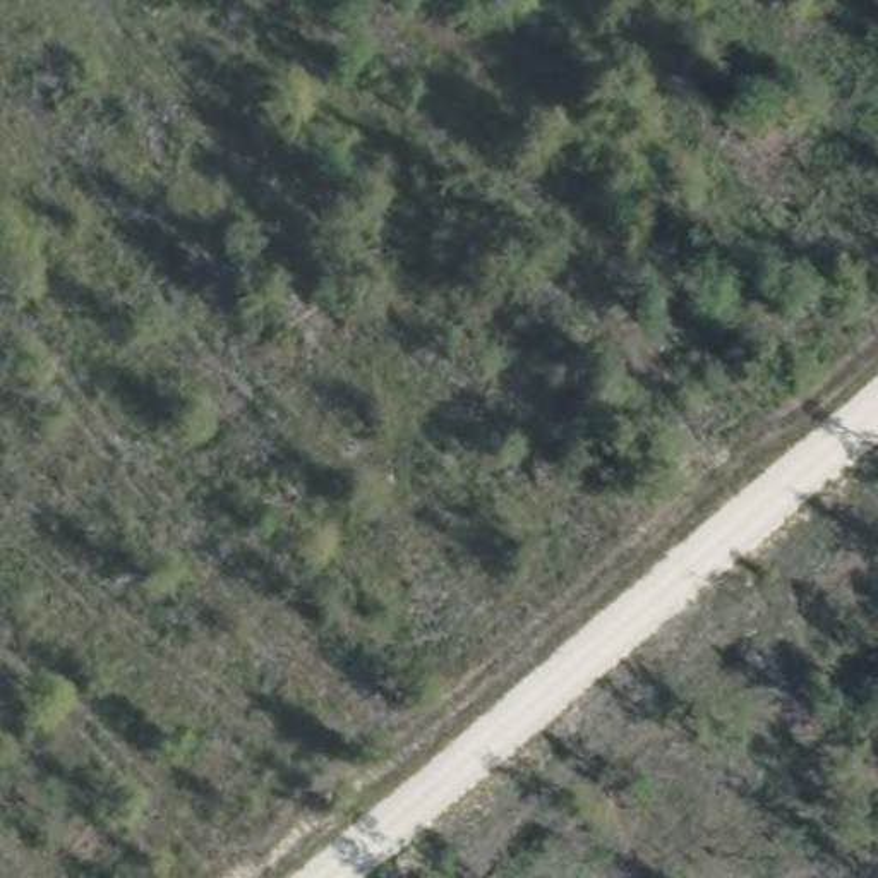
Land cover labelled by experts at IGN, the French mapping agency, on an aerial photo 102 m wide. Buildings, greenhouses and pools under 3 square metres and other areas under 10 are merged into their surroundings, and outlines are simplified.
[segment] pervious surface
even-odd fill
[[[364,878],[377,857],[394,854],[418,830],[429,830],[446,806],[453,806],[466,789],[473,789],[487,775],[490,765],[508,761],[518,744],[549,727],[549,720],[569,700],[586,693],[593,679],[610,672],[621,659],[634,652],[648,634],[662,628],[662,621],[683,614],[689,600],[696,600],[696,593],[710,583],[713,573],[731,569],[737,556],[755,556],[789,518],[803,504],[803,497],[816,494],[827,480],[840,477],[847,466],[854,466],[861,449],[878,442],[878,377],[868,388],[861,388],[823,429],[809,432],[785,456],[779,456],[758,480],[751,480],[748,487],[741,487],[741,494],[724,501],[686,542],[669,549],[662,562],[655,562],[631,590],[624,590],[586,628],[580,628],[549,662],[542,662],[501,703],[477,717],[422,772],[415,772],[405,785],[381,799],[357,827],[350,827],[340,837],[336,847],[316,854],[292,878]]]

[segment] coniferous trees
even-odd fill
[[[178,394],[178,370],[151,367],[144,374],[134,374],[110,360],[82,357],[82,391],[89,398],[103,391],[113,394],[127,415],[141,418],[147,429],[168,429],[178,418],[185,418],[189,442],[202,442],[216,432],[216,398],[206,391],[195,398],[195,405],[185,401]]]
[[[38,401],[34,394],[51,388],[55,360],[41,346],[41,340],[21,343],[10,333],[0,333],[0,415],[21,425],[21,436],[27,442],[38,442],[45,436],[45,418],[51,415],[51,405]]]
[[[127,117],[120,99],[99,93],[106,82],[106,65],[89,62],[75,79],[58,75],[58,86],[51,86],[55,113],[58,120],[65,120],[65,130],[82,130],[86,123],[117,123]]]
[[[473,789],[466,789],[453,806],[446,806],[429,830],[418,830],[394,854],[377,857],[364,878],[669,878],[628,854],[628,847],[645,827],[641,816],[655,806],[659,779],[648,768],[638,772],[628,758],[645,741],[659,741],[659,724],[665,720],[679,724],[686,744],[696,741],[696,710],[693,700],[676,696],[665,676],[648,669],[634,652],[621,659],[610,672],[593,679],[586,693],[569,700],[549,720],[549,727],[518,744],[508,761],[490,765],[487,775]]]
[[[686,542],[724,501],[741,494],[741,487],[748,487],[751,480],[758,480],[779,456],[785,456],[809,432],[823,429],[861,388],[868,388],[878,377],[878,0],[192,0],[195,10],[209,10],[209,27],[192,41],[178,41],[178,55],[185,62],[185,106],[213,134],[209,147],[192,144],[192,168],[206,178],[223,178],[230,185],[226,206],[213,216],[175,213],[168,202],[168,189],[161,182],[154,182],[151,192],[134,192],[113,171],[106,171],[103,151],[89,147],[86,165],[69,154],[51,168],[51,182],[72,182],[89,195],[89,202],[75,216],[65,206],[41,199],[31,182],[21,182],[21,206],[34,216],[45,216],[48,226],[27,220],[14,202],[0,209],[0,305],[17,298],[17,305],[24,309],[48,292],[55,302],[62,302],[65,319],[86,316],[103,326],[106,340],[134,340],[137,350],[144,350],[168,336],[171,316],[165,312],[165,305],[182,288],[206,302],[209,312],[220,312],[226,333],[250,336],[250,357],[261,357],[274,340],[285,350],[298,350],[298,343],[319,343],[322,326],[336,312],[343,319],[388,316],[388,329],[401,343],[401,350],[429,350],[436,357],[446,357],[446,336],[466,309],[477,309],[490,312],[487,333],[494,350],[480,357],[473,370],[480,381],[501,377],[497,405],[490,405],[480,391],[463,388],[453,398],[439,401],[418,429],[401,429],[401,412],[394,398],[381,398],[374,405],[370,394],[336,377],[316,377],[309,391],[319,394],[322,408],[340,415],[340,425],[346,425],[353,439],[377,439],[391,449],[394,480],[364,473],[353,484],[346,466],[322,466],[288,442],[268,460],[292,484],[278,494],[268,494],[264,504],[240,501],[237,487],[209,490],[202,504],[202,535],[192,542],[189,556],[182,556],[161,573],[151,573],[144,562],[134,559],[134,552],[123,545],[123,528],[106,538],[89,538],[72,514],[51,504],[38,508],[38,535],[45,542],[62,545],[75,559],[72,573],[79,580],[75,586],[62,580],[45,586],[41,580],[38,586],[24,590],[24,597],[14,607],[17,621],[34,638],[24,655],[31,662],[31,672],[17,676],[7,665],[0,665],[0,878],[292,878],[316,854],[336,847],[340,837],[350,827],[357,827],[381,799],[405,785],[415,772],[422,772],[477,717],[501,703],[542,662],[549,662],[580,628],[586,628],[624,590],[631,590],[655,562],[662,562],[669,549]]]
[[[803,648],[796,648],[792,641],[758,648],[751,638],[734,638],[720,648],[724,672],[744,676],[748,686],[782,689],[775,724],[765,734],[748,737],[751,758],[765,772],[765,782],[741,785],[737,779],[724,779],[724,789],[761,813],[765,840],[813,847],[809,861],[844,868],[847,878],[878,878],[878,442],[861,449],[854,466],[847,466],[840,477],[827,480],[816,494],[803,497],[803,504],[789,518],[827,518],[837,525],[830,549],[864,556],[864,569],[851,573],[857,600],[830,604],[816,583],[796,580],[796,607],[809,624],[809,641]]]

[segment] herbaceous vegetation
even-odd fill
[[[689,600],[683,614],[662,621],[662,628],[648,634],[634,652],[648,669],[665,676],[676,696],[693,700],[696,710],[696,741],[686,744],[679,724],[665,720],[659,724],[659,741],[645,741],[628,758],[638,772],[648,768],[659,779],[655,806],[641,816],[645,827],[628,847],[628,854],[669,878],[847,878],[844,868],[809,861],[813,847],[765,840],[761,813],[724,789],[724,779],[737,779],[741,785],[765,782],[765,772],[751,758],[748,737],[765,734],[775,724],[782,689],[748,686],[744,676],[724,672],[720,648],[734,638],[751,638],[758,648],[792,641],[796,648],[803,648],[809,641],[809,624],[796,607],[796,580],[816,583],[830,604],[857,600],[851,573],[864,569],[864,556],[830,549],[837,525],[827,518],[789,518],[755,556],[737,556],[731,569],[713,573],[710,583],[696,593],[696,600]]]
[[[24,655],[34,638],[17,621],[14,607],[24,597],[24,590],[38,586],[41,580],[45,586],[62,580],[75,586],[79,580],[72,573],[75,559],[62,545],[45,542],[38,535],[38,508],[51,504],[72,514],[89,538],[106,538],[123,528],[123,545],[134,552],[134,559],[144,562],[151,573],[161,573],[182,556],[189,556],[192,542],[202,535],[202,504],[209,490],[237,487],[240,501],[264,504],[268,494],[278,494],[292,484],[268,460],[288,442],[322,466],[346,466],[353,484],[364,473],[394,480],[391,449],[377,439],[353,439],[346,425],[340,425],[340,415],[322,408],[319,394],[309,391],[316,377],[336,377],[370,394],[374,405],[381,398],[394,398],[401,412],[401,429],[418,429],[439,401],[453,398],[463,388],[480,391],[490,405],[497,405],[501,377],[480,381],[473,370],[480,357],[494,350],[487,333],[490,312],[477,309],[466,309],[446,336],[446,357],[436,357],[429,350],[401,350],[401,343],[388,329],[388,316],[343,319],[336,312],[322,326],[319,343],[298,343],[298,350],[285,350],[274,340],[261,357],[250,357],[250,336],[226,333],[220,312],[209,312],[206,302],[182,288],[165,305],[165,312],[171,316],[168,336],[144,350],[137,350],[134,340],[106,340],[103,326],[86,316],[65,319],[62,302],[55,302],[48,292],[24,309],[17,305],[17,298],[0,305],[0,333],[10,333],[21,343],[41,340],[41,346],[55,360],[51,388],[34,394],[38,401],[51,405],[51,415],[45,418],[45,436],[38,442],[27,442],[21,436],[21,425],[0,415],[0,665],[7,665],[17,676],[31,672],[31,662]],[[185,418],[178,418],[168,429],[147,429],[141,418],[127,415],[113,394],[103,391],[89,398],[82,391],[82,357],[110,360],[134,374],[144,374],[151,367],[178,370],[178,394],[185,401],[195,405],[195,398],[206,391],[216,398],[216,432],[202,442],[189,442]]]
[[[206,178],[192,168],[192,144],[209,147],[213,134],[185,106],[185,62],[178,55],[178,41],[192,41],[209,27],[209,10],[195,10],[192,0],[0,0],[0,209],[14,202],[27,220],[48,226],[45,216],[34,216],[21,206],[21,182],[31,182],[41,199],[65,206],[75,216],[89,202],[89,195],[72,182],[51,182],[51,168],[69,154],[86,165],[89,147],[103,151],[106,171],[113,171],[134,192],[151,192],[154,182],[161,182],[168,189],[168,202],[175,213],[213,216],[226,206],[230,185],[223,178]],[[86,123],[82,130],[65,130],[65,120],[58,120],[55,113],[51,86],[58,86],[58,75],[75,79],[89,62],[106,65],[106,82],[99,93],[120,99],[127,117],[117,123]]]

